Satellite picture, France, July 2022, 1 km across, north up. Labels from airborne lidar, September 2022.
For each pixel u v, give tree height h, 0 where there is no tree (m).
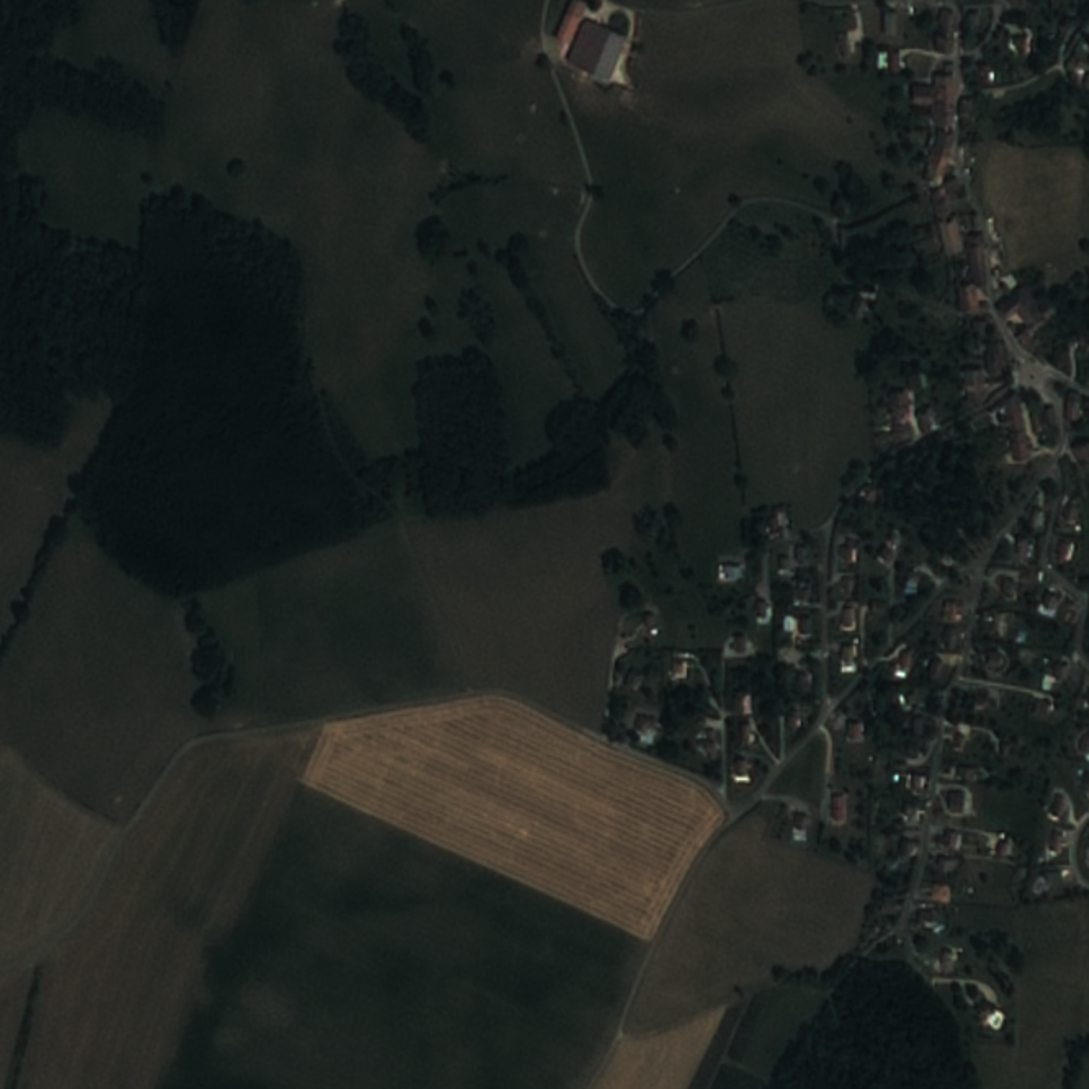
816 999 0
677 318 0
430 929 0
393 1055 0
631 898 0
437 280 0
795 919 0
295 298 12
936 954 0
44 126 0
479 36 0
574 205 0
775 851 0
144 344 13
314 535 11
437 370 18
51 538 13
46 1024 0
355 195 0
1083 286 6
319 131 0
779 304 0
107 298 15
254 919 0
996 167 0
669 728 14
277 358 11
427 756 0
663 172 0
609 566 13
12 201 22
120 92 20
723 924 0
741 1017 0
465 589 0
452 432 27
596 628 0
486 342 19
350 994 0
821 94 0
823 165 0
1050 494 11
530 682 0
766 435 0
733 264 0
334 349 0
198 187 0
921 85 0
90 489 12
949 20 0
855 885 0
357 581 0
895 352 19
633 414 19
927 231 7
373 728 0
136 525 16
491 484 22
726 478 0
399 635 0
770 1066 0
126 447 12
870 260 18
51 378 25
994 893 0
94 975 0
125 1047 0
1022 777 14
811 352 0
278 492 12
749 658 7
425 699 0
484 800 0
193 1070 0
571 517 0
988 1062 0
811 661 14
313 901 0
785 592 8
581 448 11
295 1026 0
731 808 0
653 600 0
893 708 9
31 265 15
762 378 0
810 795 0
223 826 0
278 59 0
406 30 11
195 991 0
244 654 0
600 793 0
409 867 0
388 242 0
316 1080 0
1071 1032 0
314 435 7
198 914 0
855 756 0
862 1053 14
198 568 15
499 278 0
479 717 0
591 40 0
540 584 0
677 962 0
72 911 0
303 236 0
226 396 10
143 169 0
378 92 21
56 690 0
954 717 13
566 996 0
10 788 0
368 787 0
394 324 0
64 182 0
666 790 0
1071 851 0
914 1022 14
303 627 0
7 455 0
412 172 0
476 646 0
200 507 16
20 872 0
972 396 0
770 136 0
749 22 0
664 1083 0
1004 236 0
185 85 0
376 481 14
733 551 0
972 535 17
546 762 0
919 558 0
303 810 0
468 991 0
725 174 0
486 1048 0
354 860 0
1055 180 0
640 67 0
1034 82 0
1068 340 6
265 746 0
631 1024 0
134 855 0
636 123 0
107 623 0
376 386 0
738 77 0
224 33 0
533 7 0
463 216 0
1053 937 0
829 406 0
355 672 0
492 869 0
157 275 13
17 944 0
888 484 12
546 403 0
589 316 0
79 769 0
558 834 0
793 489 0
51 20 20
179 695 0
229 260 10
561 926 0
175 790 0
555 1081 0
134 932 0
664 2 0
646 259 0
